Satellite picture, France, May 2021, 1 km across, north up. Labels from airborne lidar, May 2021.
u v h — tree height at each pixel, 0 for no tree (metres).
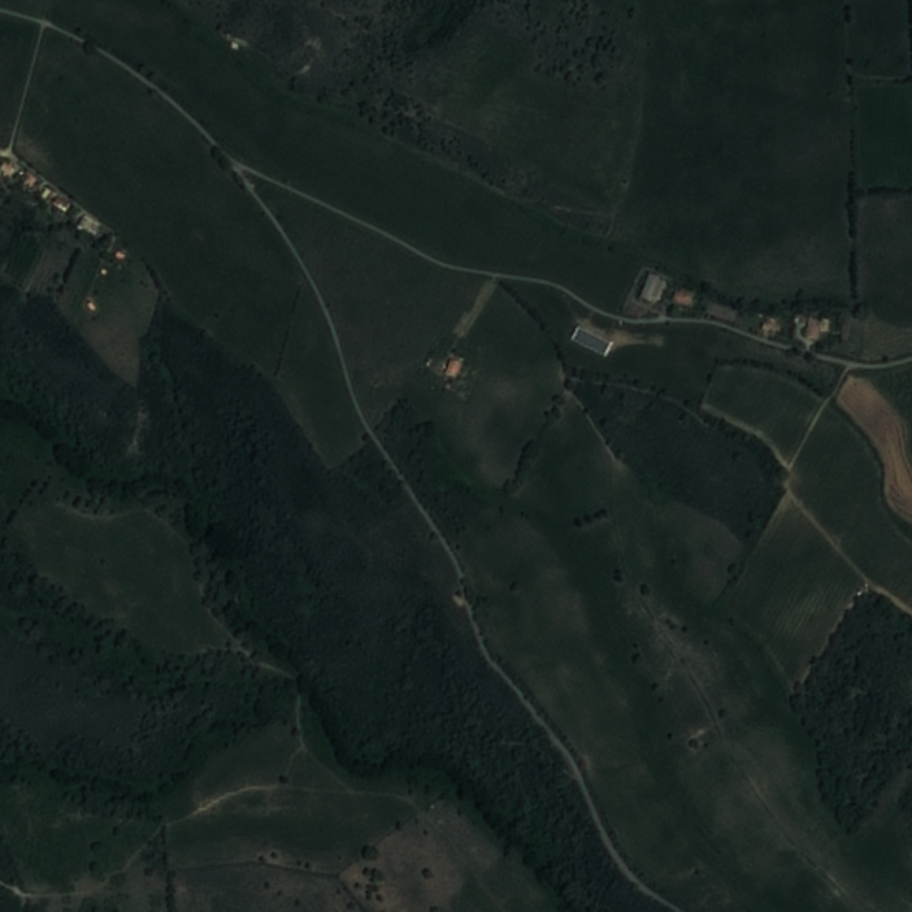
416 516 0
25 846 0
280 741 0
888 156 0
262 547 5
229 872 0
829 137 0
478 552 0
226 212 0
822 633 0
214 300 0
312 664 13
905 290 0
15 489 0
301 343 0
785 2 0
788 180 0
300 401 0
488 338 0
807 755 0
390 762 17
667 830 0
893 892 0
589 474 0
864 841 0
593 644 0
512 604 0
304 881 0
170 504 17
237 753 0
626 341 0
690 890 0
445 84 0
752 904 0
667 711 0
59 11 0
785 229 0
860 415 0
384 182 0
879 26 0
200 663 10
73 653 15
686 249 0
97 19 0
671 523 0
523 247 0
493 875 0
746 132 0
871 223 0
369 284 0
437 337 0
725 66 0
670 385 0
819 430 0
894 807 0
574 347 0
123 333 0
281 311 0
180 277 0
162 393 8
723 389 0
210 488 12
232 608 16
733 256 0
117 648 14
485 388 0
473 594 9
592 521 15
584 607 0
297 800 0
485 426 0
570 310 0
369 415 0
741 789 0
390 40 8
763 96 0
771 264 0
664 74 0
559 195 0
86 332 0
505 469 0
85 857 0
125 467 6
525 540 0
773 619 0
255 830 0
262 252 0
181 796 0
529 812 7
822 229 0
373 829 0
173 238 0
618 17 0
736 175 0
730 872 0
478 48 0
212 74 0
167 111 0
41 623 14
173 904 8
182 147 0
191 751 10
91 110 0
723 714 10
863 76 0
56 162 0
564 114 0
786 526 0
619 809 0
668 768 0
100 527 0
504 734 9
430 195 0
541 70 6
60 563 0
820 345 6
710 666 0
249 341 0
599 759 0
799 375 7
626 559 0
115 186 0
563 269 0
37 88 0
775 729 0
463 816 9
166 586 0
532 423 0
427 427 14
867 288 0
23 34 0
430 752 15
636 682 0
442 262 0
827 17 0
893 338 0
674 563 9
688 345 0
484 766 9
